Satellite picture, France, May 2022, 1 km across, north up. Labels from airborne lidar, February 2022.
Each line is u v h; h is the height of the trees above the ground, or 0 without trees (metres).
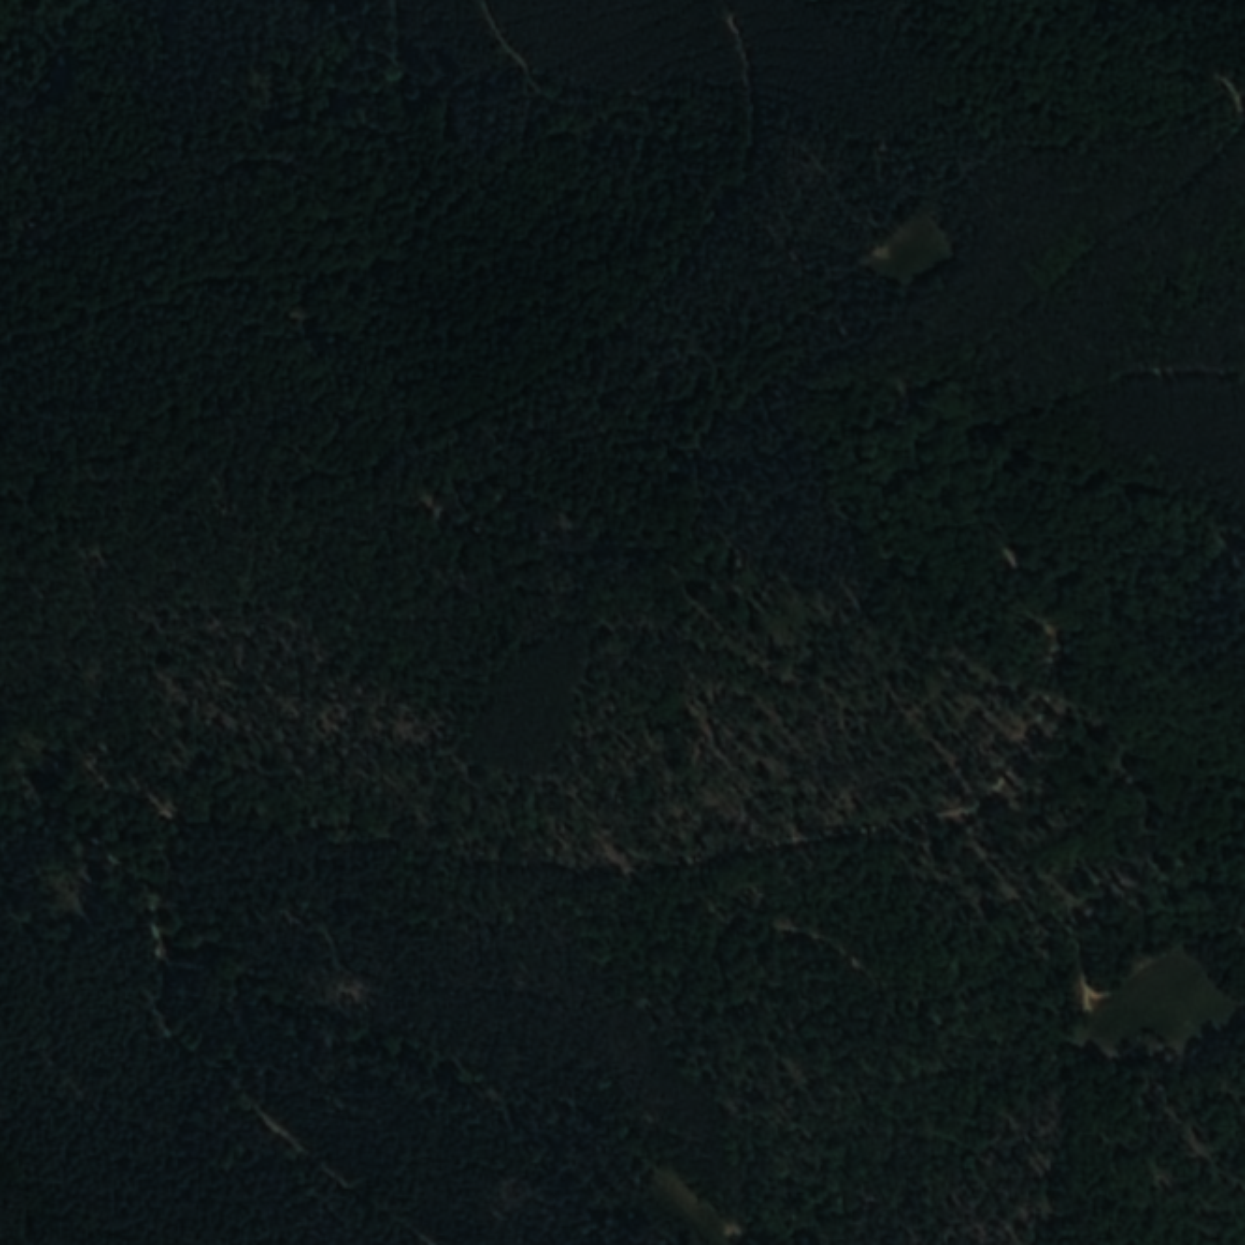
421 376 31
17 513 30
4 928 29
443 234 33
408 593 22
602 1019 22
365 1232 24
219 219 29
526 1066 26
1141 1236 23
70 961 27
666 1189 0
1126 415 19
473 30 10
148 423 29
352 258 35
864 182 24
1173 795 11
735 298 10
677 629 23
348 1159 26
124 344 28
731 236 21
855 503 32
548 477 23
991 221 20
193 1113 34
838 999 24
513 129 23
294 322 32
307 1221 32
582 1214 30
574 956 23
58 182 25
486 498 21
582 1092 24
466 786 25
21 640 21
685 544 29
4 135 25
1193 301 20
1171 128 18
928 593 29
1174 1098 22
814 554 34
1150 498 33
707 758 25
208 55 33
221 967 28
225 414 24
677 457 16
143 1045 28
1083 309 20
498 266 30
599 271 29
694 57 16
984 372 24
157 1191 31
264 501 26
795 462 34
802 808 21
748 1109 20
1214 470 21
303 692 22
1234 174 21
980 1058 24
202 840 34
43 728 31
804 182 24
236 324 31
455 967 26
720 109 23
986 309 19
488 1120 29
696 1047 25
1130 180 19
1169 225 23
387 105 35
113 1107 29
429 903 23
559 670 18
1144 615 26
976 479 34
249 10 36
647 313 26
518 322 26
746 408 15
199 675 24
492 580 26
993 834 25
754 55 17
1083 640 24
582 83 13
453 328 29
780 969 25
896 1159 25
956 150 18
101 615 20
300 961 29
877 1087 23
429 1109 26
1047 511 31
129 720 31
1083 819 28
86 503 21
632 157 25
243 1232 29
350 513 24
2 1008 32
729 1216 20
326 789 24
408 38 10
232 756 20
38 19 29
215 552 24
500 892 25
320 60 27
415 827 22
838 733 21
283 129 28
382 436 24
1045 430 27
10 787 28
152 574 21
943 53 20
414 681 17
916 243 0
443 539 25
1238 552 30
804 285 21
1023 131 22
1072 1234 25
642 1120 23
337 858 25
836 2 21
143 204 27
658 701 20
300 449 24
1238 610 38
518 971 21
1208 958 9
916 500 35
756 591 0
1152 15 32
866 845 23
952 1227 21
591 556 29
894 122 19
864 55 21
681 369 20
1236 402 17
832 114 21
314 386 31
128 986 31
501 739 21
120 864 30
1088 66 32
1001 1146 27
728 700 26
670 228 30
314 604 20
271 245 26
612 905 26
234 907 22
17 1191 21
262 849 24
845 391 31
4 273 29
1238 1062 18
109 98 23
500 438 26
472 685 20
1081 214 21
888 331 25
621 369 22
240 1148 25
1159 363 15
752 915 21
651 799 25
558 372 22
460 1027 29
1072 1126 23
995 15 28
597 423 28
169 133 32
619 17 18
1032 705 27
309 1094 19
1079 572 27
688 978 23
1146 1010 0
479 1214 26
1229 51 25
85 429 26
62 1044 25
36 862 37
